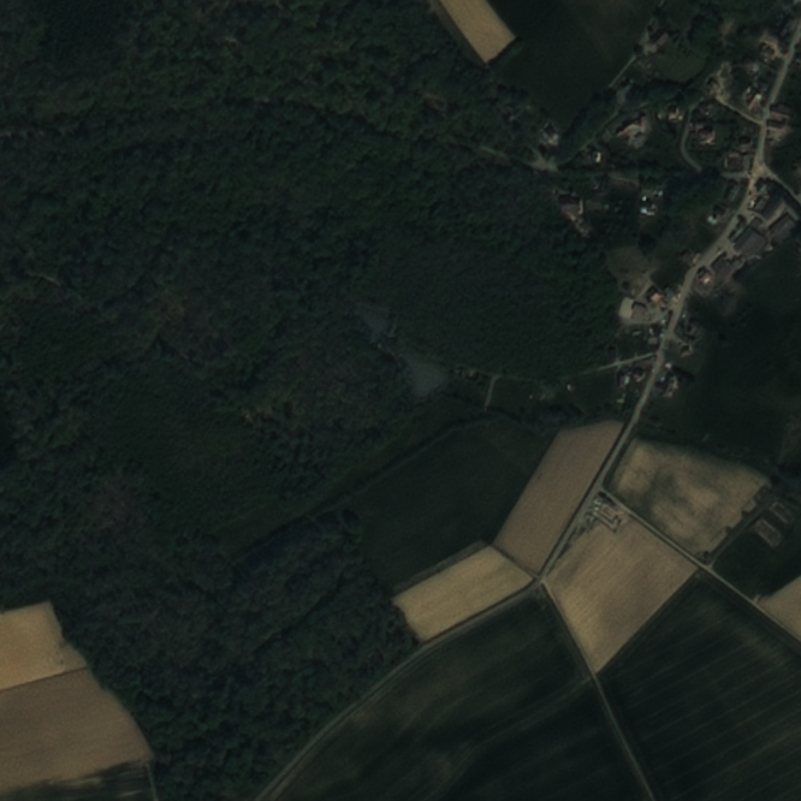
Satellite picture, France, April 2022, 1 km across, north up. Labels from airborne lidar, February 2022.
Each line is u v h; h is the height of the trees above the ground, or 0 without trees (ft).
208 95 88
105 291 101
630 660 0
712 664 0
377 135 88
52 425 87
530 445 0
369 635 96
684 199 84
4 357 92
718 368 0
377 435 61
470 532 0
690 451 0
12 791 0
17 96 90
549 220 54
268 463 44
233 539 0
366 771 0
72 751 0
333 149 91
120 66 89
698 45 68
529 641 0
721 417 0
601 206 0
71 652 0
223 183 94
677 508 0
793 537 0
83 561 72
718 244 0
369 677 89
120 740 0
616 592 0
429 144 85
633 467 0
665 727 0
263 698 98
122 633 89
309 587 105
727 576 0
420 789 0
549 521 0
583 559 0
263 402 86
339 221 91
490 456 0
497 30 0
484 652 0
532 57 0
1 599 73
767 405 0
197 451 40
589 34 0
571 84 0
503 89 30
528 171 66
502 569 0
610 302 57
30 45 91
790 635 0
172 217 70
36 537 107
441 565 0
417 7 99
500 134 69
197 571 0
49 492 82
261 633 99
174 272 107
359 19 99
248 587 103
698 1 73
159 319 102
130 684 73
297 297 98
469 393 0
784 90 0
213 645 41
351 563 103
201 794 69
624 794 0
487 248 64
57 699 0
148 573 102
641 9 0
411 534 0
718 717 0
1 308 91
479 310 60
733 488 0
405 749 0
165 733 82
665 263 0
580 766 0
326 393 107
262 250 97
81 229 31
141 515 78
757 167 0
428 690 0
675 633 0
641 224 0
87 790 0
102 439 72
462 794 0
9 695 0
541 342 46
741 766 0
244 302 98
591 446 0
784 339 0
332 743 0
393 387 95
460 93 98
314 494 95
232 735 92
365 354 98
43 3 55
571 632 0
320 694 95
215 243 87
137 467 67
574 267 81
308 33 101
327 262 73
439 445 0
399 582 0
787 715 0
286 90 108
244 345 91
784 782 0
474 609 0
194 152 75
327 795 0
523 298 50
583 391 0
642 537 0
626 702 0
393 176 73
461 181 49
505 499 0
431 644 0
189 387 55
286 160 100
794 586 0
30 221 117
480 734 0
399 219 26
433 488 0
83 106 82
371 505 0
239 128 81
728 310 81
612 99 66
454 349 56
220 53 109
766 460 0
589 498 0
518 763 0
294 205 94
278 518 0
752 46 0
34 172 93
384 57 96
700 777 0
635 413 0
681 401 0
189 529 54
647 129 0
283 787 0
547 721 0
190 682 111
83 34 58
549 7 0
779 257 0
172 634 55
